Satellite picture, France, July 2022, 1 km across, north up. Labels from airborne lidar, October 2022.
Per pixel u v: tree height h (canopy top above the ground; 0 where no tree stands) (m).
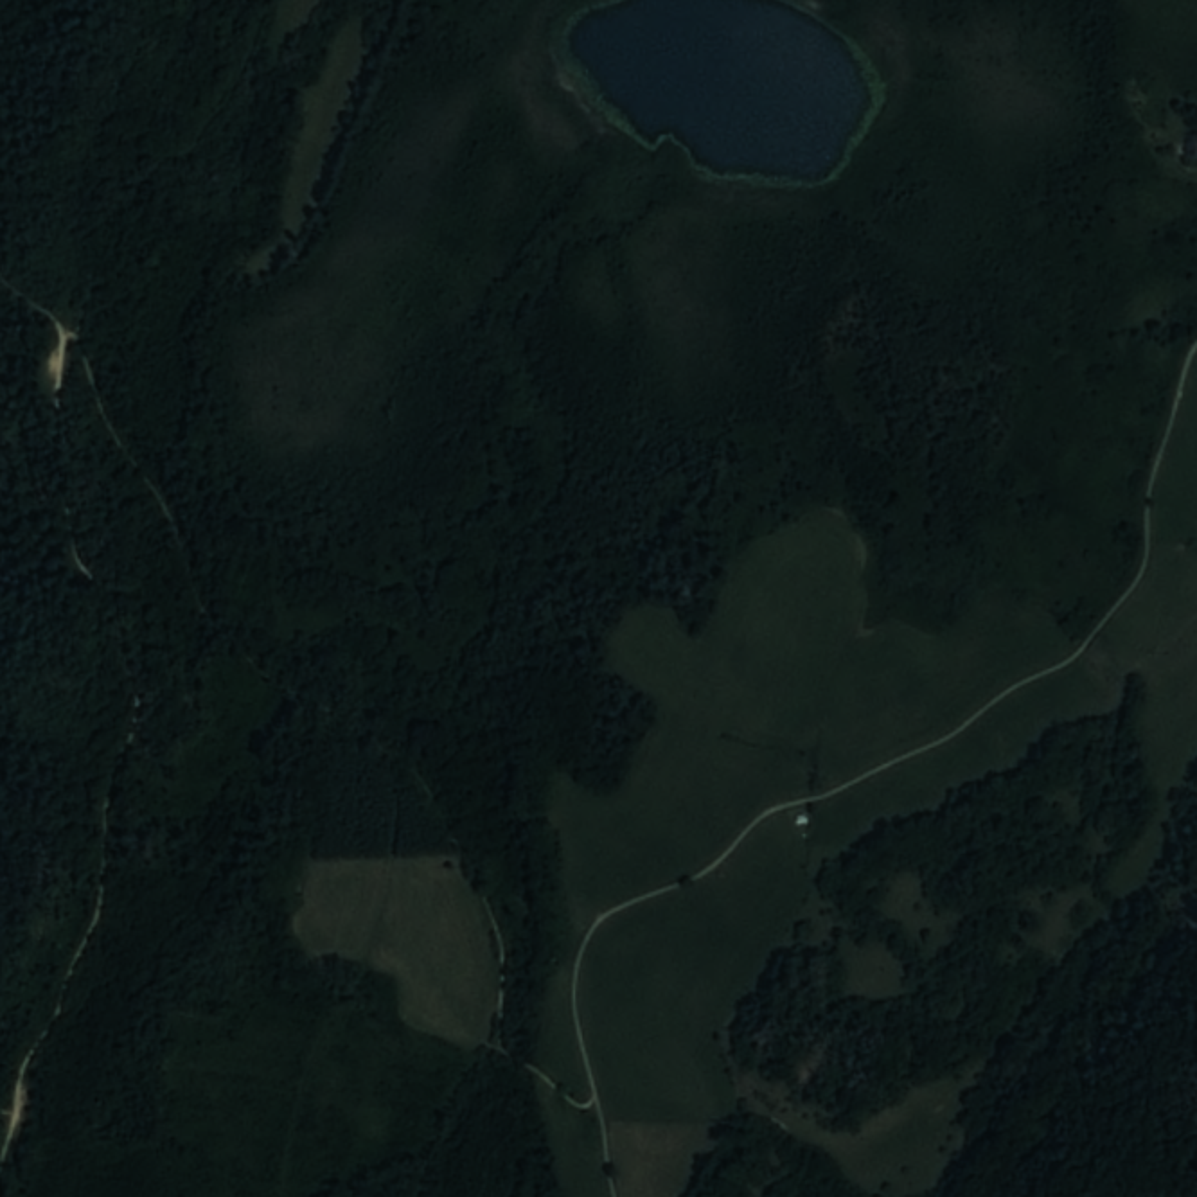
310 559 18
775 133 0
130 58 12
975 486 6
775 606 0
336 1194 27
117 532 19
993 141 0
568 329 8
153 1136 21
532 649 12
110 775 14
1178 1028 33
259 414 0
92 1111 10
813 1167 12
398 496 12
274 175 21
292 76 20
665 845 0
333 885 0
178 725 29
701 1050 0
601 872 0
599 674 11
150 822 7
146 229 21
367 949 0
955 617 6
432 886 0
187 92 11
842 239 8
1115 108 6
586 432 11
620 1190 0
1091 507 0
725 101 0
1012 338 6
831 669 0
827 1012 6
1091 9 9
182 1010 21
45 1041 7
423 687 9
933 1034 15
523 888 6
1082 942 7
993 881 12
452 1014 0
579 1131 0
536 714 30
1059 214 8
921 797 0
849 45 0
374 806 15
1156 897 23
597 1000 0
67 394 13
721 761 0
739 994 0
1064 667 0
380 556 7
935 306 12
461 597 18
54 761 17
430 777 6
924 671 0
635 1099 0
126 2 14
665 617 0
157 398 9
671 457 15
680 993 0
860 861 18
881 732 0
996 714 0
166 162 6
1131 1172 28
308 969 18
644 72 0
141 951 12
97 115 8
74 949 12
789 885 0
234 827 11
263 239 19
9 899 25
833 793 0
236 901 18
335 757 17
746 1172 8
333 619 0
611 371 6
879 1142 0
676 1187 0
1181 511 0
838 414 10
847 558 0
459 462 14
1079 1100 27
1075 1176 27
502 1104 9
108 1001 11
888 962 0
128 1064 7
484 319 14
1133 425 0
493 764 12
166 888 12
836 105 0
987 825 15
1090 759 13
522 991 17
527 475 9
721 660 0
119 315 19
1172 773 0
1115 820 17
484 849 11
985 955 7
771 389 6
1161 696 0
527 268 14
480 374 15
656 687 0
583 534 15
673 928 0
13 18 14
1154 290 0
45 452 14
